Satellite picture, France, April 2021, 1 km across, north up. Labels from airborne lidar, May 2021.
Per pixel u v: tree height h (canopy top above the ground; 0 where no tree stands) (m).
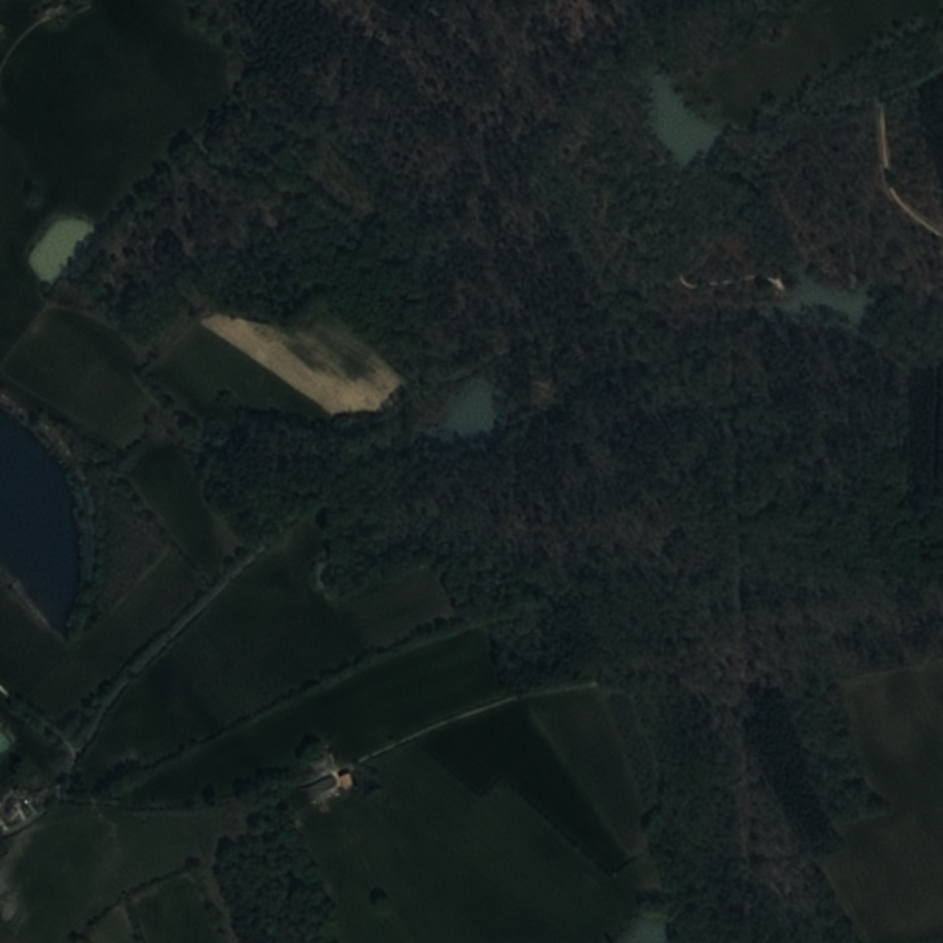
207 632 0
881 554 18
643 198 9
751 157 13
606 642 18
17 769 15
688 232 12
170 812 6
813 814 15
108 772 0
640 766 10
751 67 0
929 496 26
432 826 0
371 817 0
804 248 16
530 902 0
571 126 11
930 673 0
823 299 0
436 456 23
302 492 23
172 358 0
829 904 14
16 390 0
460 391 6
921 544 18
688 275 11
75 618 14
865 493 14
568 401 9
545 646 8
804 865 9
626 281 14
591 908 0
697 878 21
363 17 11
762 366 22
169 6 0
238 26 11
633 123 14
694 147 0
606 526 11
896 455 15
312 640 0
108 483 12
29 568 0
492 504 15
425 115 24
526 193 15
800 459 21
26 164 0
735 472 12
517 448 19
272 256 25
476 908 0
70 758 19
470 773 0
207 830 0
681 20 12
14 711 16
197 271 21
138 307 25
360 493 28
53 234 0
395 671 0
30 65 0
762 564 15
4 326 0
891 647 14
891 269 20
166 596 0
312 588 0
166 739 0
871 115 18
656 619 16
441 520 8
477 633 0
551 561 22
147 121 0
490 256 13
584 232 20
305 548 0
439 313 19
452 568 21
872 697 0
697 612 16
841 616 13
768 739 14
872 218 16
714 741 19
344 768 0
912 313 25
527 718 0
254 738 0
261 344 0
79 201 0
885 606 15
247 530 22
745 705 6
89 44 0
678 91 7
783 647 11
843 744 25
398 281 28
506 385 16
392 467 27
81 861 0
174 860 0
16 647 0
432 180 7
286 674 0
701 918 22
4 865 0
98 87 0
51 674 0
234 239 13
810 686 18
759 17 9
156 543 7
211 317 0
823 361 16
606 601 19
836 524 15
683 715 17
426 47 23
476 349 21
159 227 25
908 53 13
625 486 17
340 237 23
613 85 14
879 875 0
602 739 0
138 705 0
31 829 0
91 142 0
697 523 12
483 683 0
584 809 0
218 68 0
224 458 16
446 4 27
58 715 0
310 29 17
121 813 0
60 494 0
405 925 0
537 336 17
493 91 21
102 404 0
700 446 21
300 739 0
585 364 30
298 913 22
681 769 16
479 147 11
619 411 25
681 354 16
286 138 15
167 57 0
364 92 18
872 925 0
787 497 25
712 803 17
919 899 0
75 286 20
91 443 10
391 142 8
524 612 9
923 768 0
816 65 0
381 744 0
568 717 0
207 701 0
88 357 0
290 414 0
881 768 0
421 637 13
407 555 20
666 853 21
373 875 0
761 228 25
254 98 8
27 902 0
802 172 10
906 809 0
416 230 21
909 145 11
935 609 13
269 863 12
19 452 0
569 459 18
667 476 15
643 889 0
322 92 12
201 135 10
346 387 0
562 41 21
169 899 0
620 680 19
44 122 0
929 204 11
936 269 18
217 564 0
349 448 30
